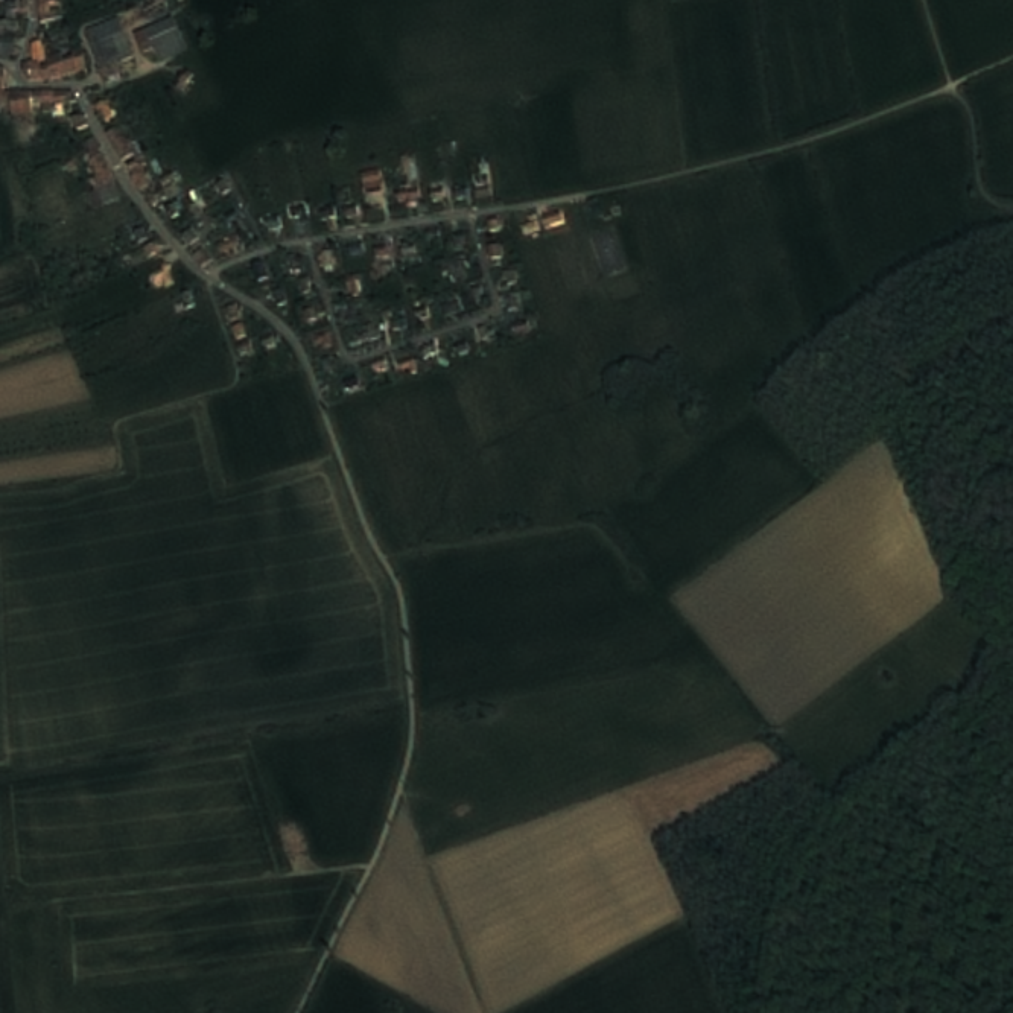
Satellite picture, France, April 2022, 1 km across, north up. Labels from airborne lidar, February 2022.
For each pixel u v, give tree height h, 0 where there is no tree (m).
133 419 0
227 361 0
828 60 0
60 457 0
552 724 0
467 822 0
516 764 0
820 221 0
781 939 25
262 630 0
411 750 0
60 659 0
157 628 0
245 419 0
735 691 0
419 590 0
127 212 0
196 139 0
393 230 0
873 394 15
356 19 0
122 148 0
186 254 0
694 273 0
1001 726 21
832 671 0
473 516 0
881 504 0
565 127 0
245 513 0
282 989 0
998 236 17
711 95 0
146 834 0
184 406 0
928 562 0
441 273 0
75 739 0
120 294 0
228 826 0
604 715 0
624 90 0
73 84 0
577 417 0
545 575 0
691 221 0
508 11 0
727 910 11
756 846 15
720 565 0
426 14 0
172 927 0
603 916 0
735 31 0
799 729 0
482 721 0
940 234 0
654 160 0
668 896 0
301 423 0
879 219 0
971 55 0
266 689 0
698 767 0
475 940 0
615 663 0
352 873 0
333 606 0
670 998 0
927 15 0
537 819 0
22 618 0
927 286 15
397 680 0
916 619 0
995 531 19
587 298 0
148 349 0
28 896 0
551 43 0
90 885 0
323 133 0
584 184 0
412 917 0
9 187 0
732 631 0
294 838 0
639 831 0
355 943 0
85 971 0
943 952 22
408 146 0
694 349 0
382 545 0
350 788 0
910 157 0
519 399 0
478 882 0
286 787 0
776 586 0
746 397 0
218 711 0
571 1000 0
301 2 0
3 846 0
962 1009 27
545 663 0
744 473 0
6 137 0
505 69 0
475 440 0
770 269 0
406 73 0
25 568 0
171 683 0
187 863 0
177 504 0
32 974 0
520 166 0
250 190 0
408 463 0
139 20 0
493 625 0
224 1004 0
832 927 27
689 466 0
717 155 0
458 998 0
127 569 0
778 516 0
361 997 0
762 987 22
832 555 0
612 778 0
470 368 0
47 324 0
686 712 0
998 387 20
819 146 0
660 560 0
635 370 15
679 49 0
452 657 0
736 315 0
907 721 0
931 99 0
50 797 0
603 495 0
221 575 0
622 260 0
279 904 0
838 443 17
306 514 0
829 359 16
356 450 0
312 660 0
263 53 0
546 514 0
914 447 15
